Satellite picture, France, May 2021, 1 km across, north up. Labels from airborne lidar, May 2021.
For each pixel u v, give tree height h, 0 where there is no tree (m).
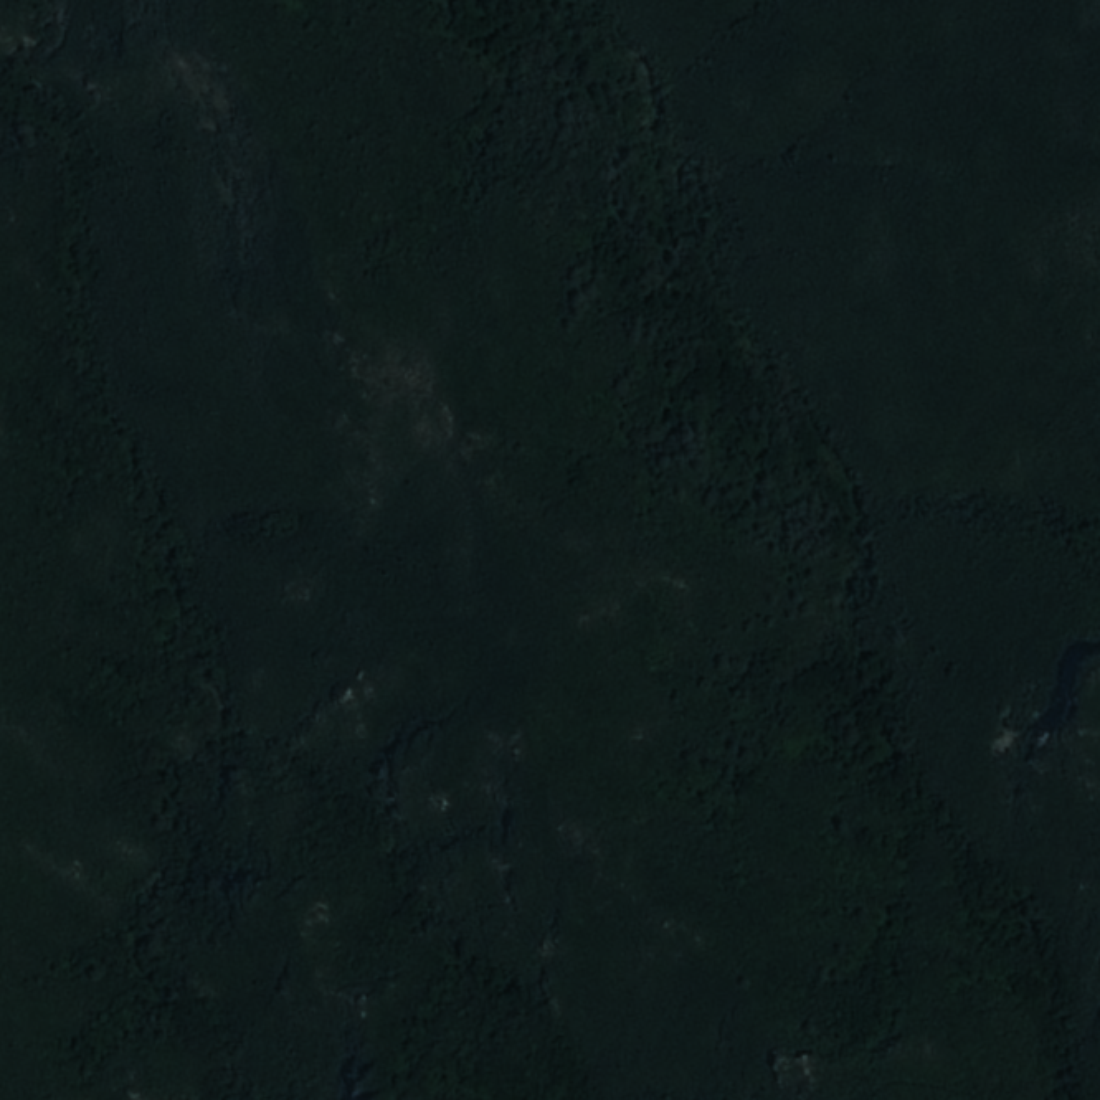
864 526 7
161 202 6
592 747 5
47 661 7
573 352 9
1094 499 7
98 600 8
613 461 7
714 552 10
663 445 15
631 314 17
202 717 15
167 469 7
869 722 25
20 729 7
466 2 22
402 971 7
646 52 12
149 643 8
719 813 14
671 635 8
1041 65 6
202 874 8
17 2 5
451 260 7
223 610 9
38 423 8
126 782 12
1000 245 6
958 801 6
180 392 6
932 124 6
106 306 6
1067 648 7
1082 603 7
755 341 7
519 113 8
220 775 17
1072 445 6
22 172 9
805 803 8
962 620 6
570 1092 9
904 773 26
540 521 5
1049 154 7
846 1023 16
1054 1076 10
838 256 7
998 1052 5
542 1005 19
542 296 7
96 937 8
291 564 7
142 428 8
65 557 7
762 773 7
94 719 8
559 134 18
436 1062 6
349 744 6
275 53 7
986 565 6
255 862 9
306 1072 6
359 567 6
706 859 7
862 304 6
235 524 14
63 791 6
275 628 6
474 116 19
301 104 7
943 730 6
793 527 24
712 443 10
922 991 6
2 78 15
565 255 9
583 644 7
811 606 27
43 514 12
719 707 7
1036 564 6
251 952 5
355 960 8
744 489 11
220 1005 8
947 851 7
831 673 19
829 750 13
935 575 6
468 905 6
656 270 25
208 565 7
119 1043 8
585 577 5
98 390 21
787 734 7
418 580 6
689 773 11
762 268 6
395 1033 8
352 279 8
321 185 6
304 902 6
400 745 6
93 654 11
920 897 6
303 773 9
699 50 6
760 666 16
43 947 7
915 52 6
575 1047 11
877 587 18
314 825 14
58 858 5
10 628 6
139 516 10
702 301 14
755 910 7
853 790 9
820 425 17
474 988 13
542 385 7
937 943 8
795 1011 8
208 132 6
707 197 12
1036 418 6
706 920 5
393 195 8
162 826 21
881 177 6
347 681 7
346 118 7
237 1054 16
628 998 6
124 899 10
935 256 6
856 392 6
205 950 6
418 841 7
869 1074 6
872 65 11
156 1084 6
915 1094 6
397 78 8
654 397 13
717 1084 6
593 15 7
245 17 6
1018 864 6
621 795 7
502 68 16
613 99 17
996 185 6
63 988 7
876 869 7
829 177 6
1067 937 8
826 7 5
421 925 11
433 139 9
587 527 6
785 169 6
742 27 19
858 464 6
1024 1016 8
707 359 20
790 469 10
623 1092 6
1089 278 6
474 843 5
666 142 20
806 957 7
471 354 6
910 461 6
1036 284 6
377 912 8
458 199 14
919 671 7
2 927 7
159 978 22
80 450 12
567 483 9
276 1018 6
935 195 6
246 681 8
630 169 15
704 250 17
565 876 5
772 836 7
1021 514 9
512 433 8
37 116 8
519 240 6
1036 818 6
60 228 12
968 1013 9
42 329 8
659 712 6
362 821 21
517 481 6
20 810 6
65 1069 8
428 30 10
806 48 5
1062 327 6
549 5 16
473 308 8
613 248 17
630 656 8
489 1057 8
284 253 5
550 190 9
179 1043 7
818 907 8
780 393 15
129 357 6
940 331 5
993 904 7
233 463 5
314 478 6
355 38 8
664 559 6
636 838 8
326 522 6
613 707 6
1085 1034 6
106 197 7
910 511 14
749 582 7
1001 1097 7
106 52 6
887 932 13
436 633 7
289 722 6
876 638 9
